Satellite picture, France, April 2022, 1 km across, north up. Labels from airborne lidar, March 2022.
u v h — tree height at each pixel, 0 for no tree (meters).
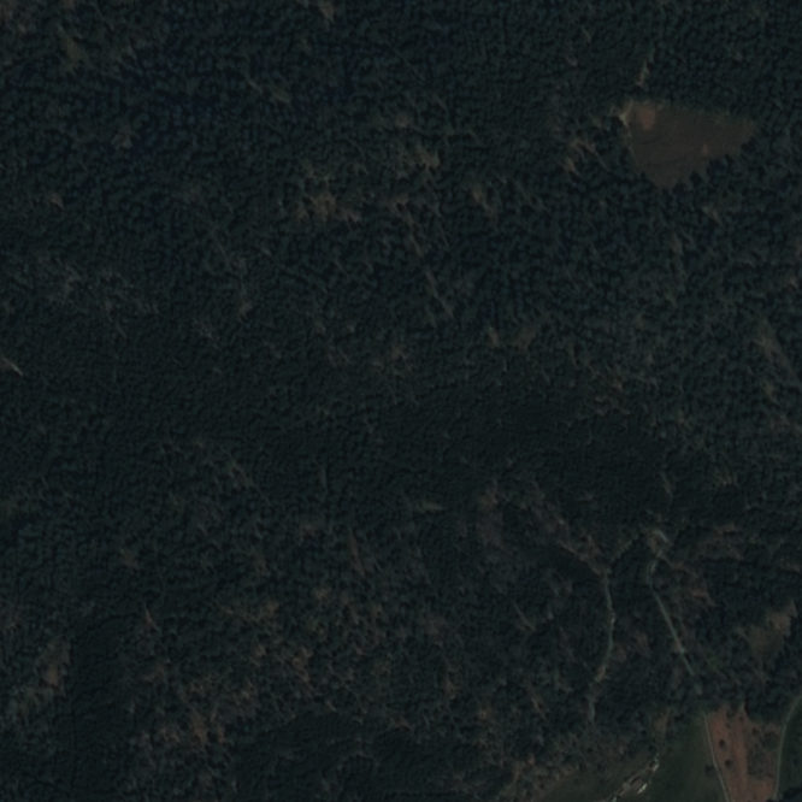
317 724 15
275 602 15
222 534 16
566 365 24
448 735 11
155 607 29
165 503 20
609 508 13
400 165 15
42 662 25
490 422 19
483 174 35
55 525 29
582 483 21
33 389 22
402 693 17
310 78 18
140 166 36
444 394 24
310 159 7
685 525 7
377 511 28
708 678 31
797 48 24
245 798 18
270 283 23
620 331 20
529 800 21
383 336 23
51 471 24
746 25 32
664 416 19
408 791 15
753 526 19
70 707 24
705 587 26
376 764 16
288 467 27
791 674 32
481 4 25
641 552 20
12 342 23
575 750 27
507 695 28
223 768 7
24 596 17
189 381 19
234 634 29
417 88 20
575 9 28
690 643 12
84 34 34
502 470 20
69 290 26
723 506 17
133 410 17
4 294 24
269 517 20
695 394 28
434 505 23
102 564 14
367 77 19
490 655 18
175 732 33
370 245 32
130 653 13
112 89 32
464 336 22
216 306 22
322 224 32
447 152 33
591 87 19
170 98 13
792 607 33
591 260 13
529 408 17
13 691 21
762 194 23
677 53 22
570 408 15
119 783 21
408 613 22
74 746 18
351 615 26
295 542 9
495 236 21
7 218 8
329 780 25
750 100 39
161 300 17
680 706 15
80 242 14
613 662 10
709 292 17
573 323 21
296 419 32
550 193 34
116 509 19
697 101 42
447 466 16
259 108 12
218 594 23
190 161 23
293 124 20
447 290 32
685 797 0
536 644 13
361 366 20
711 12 29
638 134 0
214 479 27
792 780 0
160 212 35
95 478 18
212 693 27
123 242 21
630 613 12
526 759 17
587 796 0
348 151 20
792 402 26
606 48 25
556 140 28
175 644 22
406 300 28
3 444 21
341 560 20
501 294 21
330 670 25
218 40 21
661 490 9
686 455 23
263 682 31
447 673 18
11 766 15
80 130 25
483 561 21
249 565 13
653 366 18
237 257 25
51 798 23
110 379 20
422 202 36
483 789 20
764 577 30
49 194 15
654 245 24
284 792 26
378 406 26
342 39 18
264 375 19
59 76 11
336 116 25
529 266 26
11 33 24
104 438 24
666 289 21
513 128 30
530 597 24
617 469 10
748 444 16
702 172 0
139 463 19
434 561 21
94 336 22
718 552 21
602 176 39
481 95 29
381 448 27
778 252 34
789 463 10
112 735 23
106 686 13
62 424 20
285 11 16
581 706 12
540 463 19
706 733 0
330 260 26
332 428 27
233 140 22
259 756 24
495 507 24
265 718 31
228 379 19
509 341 23
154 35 27
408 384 18
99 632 17
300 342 16
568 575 15
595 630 20
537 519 28
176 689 32
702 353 16
